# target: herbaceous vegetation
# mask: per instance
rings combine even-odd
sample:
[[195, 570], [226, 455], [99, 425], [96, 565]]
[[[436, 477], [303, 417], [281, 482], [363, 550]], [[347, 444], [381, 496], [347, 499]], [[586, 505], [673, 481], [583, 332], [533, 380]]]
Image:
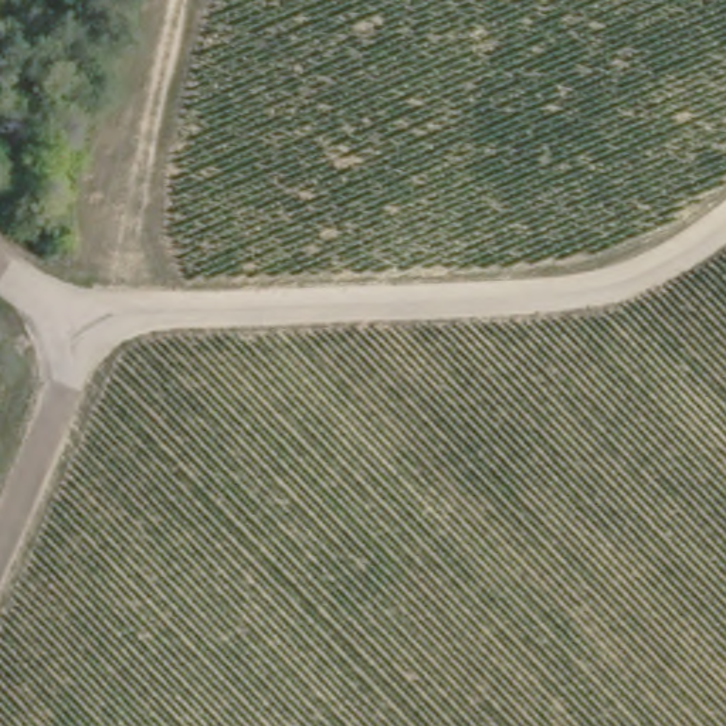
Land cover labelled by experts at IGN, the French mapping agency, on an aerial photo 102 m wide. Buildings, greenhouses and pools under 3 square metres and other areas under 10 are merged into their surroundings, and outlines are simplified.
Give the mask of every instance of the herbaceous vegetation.
[[23, 425], [37, 391], [37, 360], [31, 335], [26, 332], [26, 318], [6, 298], [0, 298], [0, 485], [17, 454]]
[[57, 252], [34, 258], [40, 272], [74, 286], [94, 286], [102, 269], [108, 269], [113, 230], [99, 218], [94, 221], [94, 216], [102, 207], [119, 204], [128, 190], [128, 164], [136, 153], [136, 130], [145, 108], [145, 88], [150, 79], [167, 0], [142, 0], [133, 11], [133, 20], [128, 20], [133, 40], [119, 51], [122, 65], [116, 65], [105, 77], [105, 91], [99, 96], [96, 111], [99, 122], [91, 133], [96, 150], [88, 173], [82, 173], [79, 207], [79, 252], [68, 258]]
[[363, 284], [400, 286], [579, 275], [630, 261], [695, 227], [709, 210], [726, 210], [726, 190], [709, 187], [698, 196], [686, 196], [686, 201], [669, 224], [627, 238], [601, 252], [576, 252], [567, 258], [542, 258], [513, 267], [411, 267], [386, 272], [349, 269], [258, 278], [216, 275], [187, 281], [179, 269], [173, 238], [167, 235], [170, 221], [182, 221], [182, 213], [170, 213], [170, 187], [176, 176], [176, 153], [187, 147], [190, 133], [199, 133], [204, 128], [199, 111], [187, 111], [184, 105], [190, 96], [199, 99], [199, 82], [193, 79], [190, 68], [204, 68], [207, 62], [213, 62], [213, 57], [196, 57], [190, 48], [230, 43], [230, 37], [201, 34], [207, 14], [224, 9], [221, 0], [187, 0], [182, 51], [170, 79], [164, 119], [159, 128], [156, 162], [150, 176], [150, 204], [142, 227], [142, 255], [150, 269], [150, 281], [159, 289], [210, 292]]

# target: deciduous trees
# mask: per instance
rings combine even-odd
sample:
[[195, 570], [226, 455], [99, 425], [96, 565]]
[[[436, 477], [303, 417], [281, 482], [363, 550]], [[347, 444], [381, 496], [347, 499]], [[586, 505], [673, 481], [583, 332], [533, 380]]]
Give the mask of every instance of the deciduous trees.
[[74, 20], [82, 23], [88, 37], [94, 40], [102, 37], [108, 11], [94, 9], [91, 0], [62, 0], [65, 11], [74, 14]]
[[60, 218], [57, 227], [45, 230], [34, 218], [37, 201], [20, 199], [17, 221], [6, 238], [34, 258], [57, 252], [68, 258], [79, 252], [79, 207], [68, 210], [68, 216]]

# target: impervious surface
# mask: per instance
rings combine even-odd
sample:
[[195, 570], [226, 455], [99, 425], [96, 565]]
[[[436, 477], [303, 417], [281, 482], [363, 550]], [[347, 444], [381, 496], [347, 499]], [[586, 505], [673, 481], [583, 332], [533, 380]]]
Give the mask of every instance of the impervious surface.
[[54, 380], [48, 360], [37, 360], [37, 391], [23, 425], [17, 454], [0, 485], [0, 598], [17, 573], [23, 547], [34, 533], [40, 510], [45, 508], [45, 499], [57, 476], [57, 465], [71, 442], [71, 431], [79, 423], [85, 389], [62, 386], [60, 380]]

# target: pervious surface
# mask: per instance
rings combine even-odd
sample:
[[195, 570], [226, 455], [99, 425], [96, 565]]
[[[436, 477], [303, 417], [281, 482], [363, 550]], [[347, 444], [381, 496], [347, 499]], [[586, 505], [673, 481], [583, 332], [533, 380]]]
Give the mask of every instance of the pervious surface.
[[0, 235], [0, 298], [6, 298], [26, 318], [26, 332], [31, 335], [37, 360], [48, 360], [54, 380], [60, 380], [62, 386], [85, 389], [96, 366], [108, 357], [113, 346], [150, 332], [372, 320], [522, 320], [525, 315], [559, 315], [567, 309], [632, 301], [655, 286], [664, 286], [666, 281], [717, 255], [726, 247], [726, 210], [709, 210], [695, 227], [630, 261], [579, 275], [400, 286], [363, 284], [210, 292], [159, 289], [150, 281], [150, 269], [142, 255], [142, 227], [150, 204], [150, 176], [156, 162], [159, 128], [164, 119], [170, 79], [182, 51], [187, 0], [167, 0], [150, 79], [145, 88], [145, 108], [136, 130], [136, 153], [128, 164], [128, 190], [119, 204], [102, 207], [94, 216], [94, 221], [99, 218], [113, 230], [108, 269], [102, 269], [94, 286], [74, 286], [40, 272], [34, 258], [6, 238]]

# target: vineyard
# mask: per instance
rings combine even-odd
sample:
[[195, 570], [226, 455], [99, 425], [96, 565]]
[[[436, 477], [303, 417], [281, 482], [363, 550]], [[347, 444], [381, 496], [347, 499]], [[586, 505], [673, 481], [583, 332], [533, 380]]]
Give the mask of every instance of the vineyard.
[[176, 176], [170, 187], [170, 213], [182, 213], [182, 221], [170, 221], [167, 235], [173, 238], [179, 269], [187, 281], [216, 275], [258, 278], [349, 269], [386, 272], [411, 267], [513, 267], [542, 258], [567, 258], [576, 252], [601, 252], [627, 238], [669, 224], [686, 201], [686, 196], [698, 196], [709, 187], [726, 190], [726, 0], [221, 0], [224, 9], [207, 14], [201, 34], [230, 37], [230, 43], [190, 48], [196, 57], [213, 57], [213, 62], [207, 62], [204, 68], [190, 68], [193, 79], [199, 82], [199, 99], [190, 96], [184, 105], [187, 111], [199, 111], [204, 128], [199, 133], [190, 133], [187, 147], [176, 153]]
[[108, 357], [96, 366], [85, 389], [79, 423], [71, 431], [71, 442], [57, 465], [57, 476], [45, 499], [45, 508], [40, 510], [34, 533], [23, 547], [17, 573], [0, 598], [0, 726], [726, 726], [726, 247], [717, 255], [666, 281], [664, 286], [655, 286], [632, 301], [567, 309], [559, 315], [525, 315], [522, 320], [372, 320], [150, 332], [113, 346]]

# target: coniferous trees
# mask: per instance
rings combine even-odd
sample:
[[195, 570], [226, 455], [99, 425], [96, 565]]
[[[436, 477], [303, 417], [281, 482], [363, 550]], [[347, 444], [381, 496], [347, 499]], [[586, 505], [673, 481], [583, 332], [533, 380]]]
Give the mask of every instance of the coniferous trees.
[[122, 65], [119, 51], [133, 40], [128, 20], [133, 20], [133, 11], [142, 0], [91, 0], [94, 9], [108, 11], [102, 37], [94, 40], [88, 37], [82, 23], [74, 20], [74, 14], [65, 11], [62, 0], [0, 0], [0, 235], [6, 238], [17, 221], [20, 199], [37, 201], [34, 218], [45, 230], [57, 227], [60, 218], [68, 216], [68, 210], [79, 207], [82, 173], [88, 173], [96, 150], [91, 133], [99, 122], [96, 111], [99, 96], [105, 91], [105, 77], [116, 65]]

